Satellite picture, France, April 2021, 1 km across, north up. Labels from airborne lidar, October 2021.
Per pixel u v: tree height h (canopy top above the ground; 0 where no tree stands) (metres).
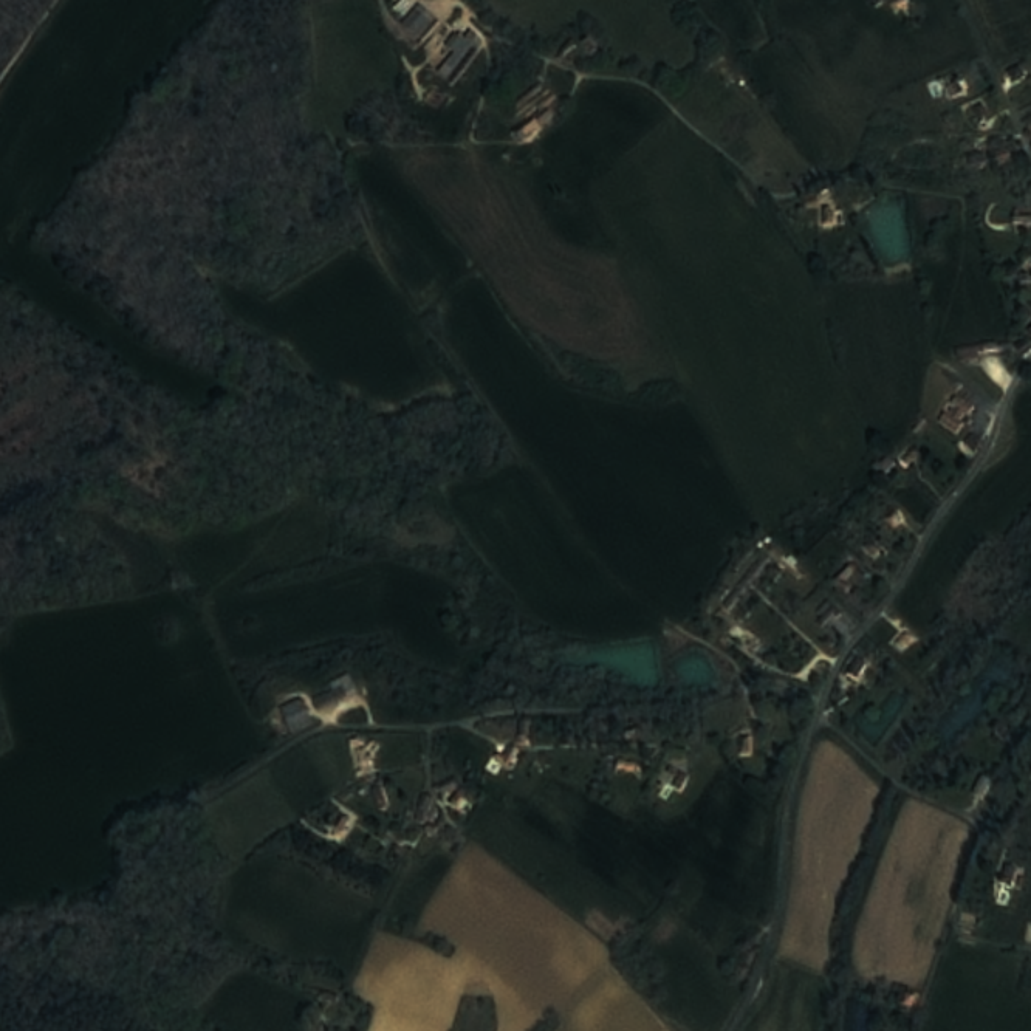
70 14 0
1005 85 0
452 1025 0
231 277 15
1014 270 14
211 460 21
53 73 0
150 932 21
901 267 0
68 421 15
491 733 0
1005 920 0
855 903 17
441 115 0
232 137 22
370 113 20
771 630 0
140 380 10
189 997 22
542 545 0
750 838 0
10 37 10
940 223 10
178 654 0
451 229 0
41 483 10
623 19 0
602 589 0
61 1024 28
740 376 0
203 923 21
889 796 16
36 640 0
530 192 0
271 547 0
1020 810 7
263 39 26
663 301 0
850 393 0
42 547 25
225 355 11
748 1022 0
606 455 0
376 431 21
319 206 15
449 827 11
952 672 19
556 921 0
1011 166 11
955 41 0
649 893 0
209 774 0
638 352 0
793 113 0
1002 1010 0
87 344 17
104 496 25
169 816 22
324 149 20
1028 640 0
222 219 21
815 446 0
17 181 0
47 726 0
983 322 0
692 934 0
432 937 7
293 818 0
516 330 0
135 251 17
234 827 0
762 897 0
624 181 0
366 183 0
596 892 0
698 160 0
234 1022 0
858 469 0
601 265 0
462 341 0
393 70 0
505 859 0
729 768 6
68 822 0
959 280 0
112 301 21
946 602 0
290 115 21
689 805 0
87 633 0
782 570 9
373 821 7
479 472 16
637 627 0
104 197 11
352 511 17
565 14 0
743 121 0
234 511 20
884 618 0
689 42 0
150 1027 18
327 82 0
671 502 0
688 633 0
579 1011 0
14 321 16
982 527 0
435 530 0
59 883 0
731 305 0
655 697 7
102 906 16
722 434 0
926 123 0
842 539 11
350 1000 11
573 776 7
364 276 0
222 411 23
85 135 0
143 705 0
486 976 0
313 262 14
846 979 25
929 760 14
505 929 0
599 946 0
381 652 7
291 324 0
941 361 0
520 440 0
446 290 0
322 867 9
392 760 0
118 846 21
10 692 0
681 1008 0
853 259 10
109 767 0
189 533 19
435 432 18
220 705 0
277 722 0
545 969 0
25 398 13
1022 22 0
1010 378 0
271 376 21
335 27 0
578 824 0
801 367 0
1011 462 0
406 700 8
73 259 12
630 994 0
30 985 16
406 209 0
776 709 9
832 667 0
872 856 12
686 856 0
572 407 0
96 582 23
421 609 0
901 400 0
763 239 0
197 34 12
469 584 10
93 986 20
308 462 22
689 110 0
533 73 22
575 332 0
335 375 0
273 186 17
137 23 0
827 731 0
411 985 0
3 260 0
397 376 0
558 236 0
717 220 0
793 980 0
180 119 9
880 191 33
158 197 14
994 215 0
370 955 0
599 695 8
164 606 0
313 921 0
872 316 0
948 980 0
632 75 13
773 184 0
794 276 0
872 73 0
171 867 23
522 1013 0
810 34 0
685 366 0
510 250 0
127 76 0
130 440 14
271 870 0
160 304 15
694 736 13
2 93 0
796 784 0
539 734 6
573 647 10
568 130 0
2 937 14
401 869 10
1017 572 15
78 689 0
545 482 0
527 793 0
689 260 0
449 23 0
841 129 0
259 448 20
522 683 9
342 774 0
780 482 0
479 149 0
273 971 17
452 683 6
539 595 0
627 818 0
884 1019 13
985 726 8
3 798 0
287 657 6
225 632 0
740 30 0
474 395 10
